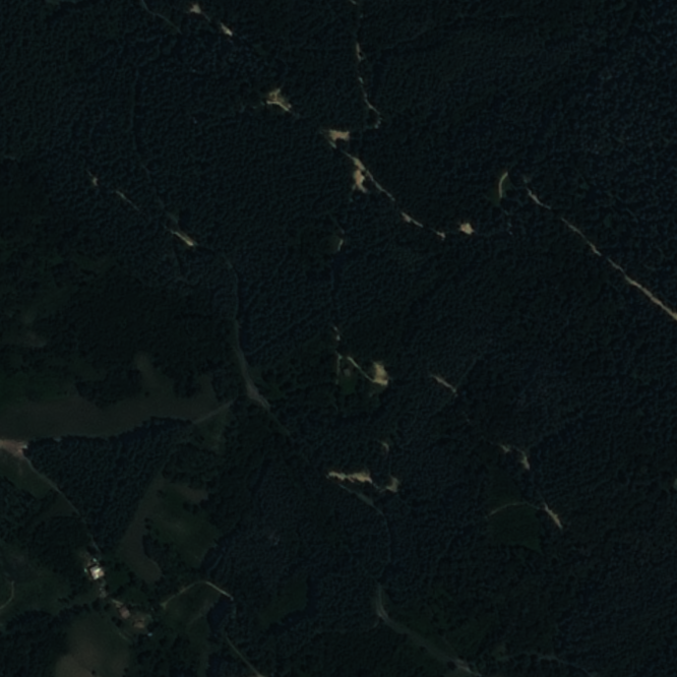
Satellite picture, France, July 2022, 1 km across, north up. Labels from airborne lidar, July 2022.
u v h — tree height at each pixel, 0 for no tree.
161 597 20
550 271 26
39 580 0
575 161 35
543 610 19
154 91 29
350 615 26
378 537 28
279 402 11
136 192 36
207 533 0
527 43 33
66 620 27
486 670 14
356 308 33
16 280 15
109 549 31
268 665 29
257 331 31
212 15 19
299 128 31
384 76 29
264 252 36
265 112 23
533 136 11
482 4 22
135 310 8
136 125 26
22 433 0
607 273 23
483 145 33
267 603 27
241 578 21
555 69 35
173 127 30
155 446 32
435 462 24
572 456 31
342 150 15
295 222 37
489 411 26
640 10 24
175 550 9
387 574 32
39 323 7
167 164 35
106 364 10
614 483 18
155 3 29
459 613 9
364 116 23
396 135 19
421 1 15
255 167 34
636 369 23
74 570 11
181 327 9
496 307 31
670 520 20
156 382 0
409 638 11
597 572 24
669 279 34
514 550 15
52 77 33
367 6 20
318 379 17
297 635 34
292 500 27
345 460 33
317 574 25
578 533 21
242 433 9
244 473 17
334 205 31
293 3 24
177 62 21
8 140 29
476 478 29
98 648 0
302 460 26
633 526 23
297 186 36
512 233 24
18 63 24
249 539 16
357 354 9
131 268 28
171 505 0
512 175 17
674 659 30
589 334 17
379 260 36
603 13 23
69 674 0
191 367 8
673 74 22
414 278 32
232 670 34
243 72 25
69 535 12
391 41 20
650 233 33
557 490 32
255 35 29
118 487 31
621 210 19
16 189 26
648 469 20
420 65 32
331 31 28
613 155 30
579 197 10
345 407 12
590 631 35
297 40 32
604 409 29
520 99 32
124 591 17
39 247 14
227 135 31
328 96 34
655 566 31
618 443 30
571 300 31
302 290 34
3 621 0
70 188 33
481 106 17
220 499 12
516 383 20
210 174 37
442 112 29
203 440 13
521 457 15
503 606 21
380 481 34
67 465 26
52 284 9
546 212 21
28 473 0
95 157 29
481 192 25
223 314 25
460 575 20
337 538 8
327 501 28
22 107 26
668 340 22
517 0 13
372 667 9
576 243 23
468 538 26
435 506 24
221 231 35
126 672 8
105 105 33
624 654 24
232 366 8
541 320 24
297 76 23
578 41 33
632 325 28
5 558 0
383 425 30
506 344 19
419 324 33
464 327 30
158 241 31
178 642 16
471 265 23
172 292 16
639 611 34
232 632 26
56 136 33
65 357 7
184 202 28
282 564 29
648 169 13
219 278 30
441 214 14
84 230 25
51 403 0
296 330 33
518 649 20
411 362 21
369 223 36
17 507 34
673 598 30
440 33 19
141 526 0
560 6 26
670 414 26
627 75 25
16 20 30
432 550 35
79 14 25
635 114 33
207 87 34
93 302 8
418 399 28
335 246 0
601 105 27
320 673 16
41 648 18
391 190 18
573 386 30
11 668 30
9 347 7
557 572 24
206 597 0
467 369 28
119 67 36
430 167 24
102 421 0
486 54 31
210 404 0
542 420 29
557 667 16
